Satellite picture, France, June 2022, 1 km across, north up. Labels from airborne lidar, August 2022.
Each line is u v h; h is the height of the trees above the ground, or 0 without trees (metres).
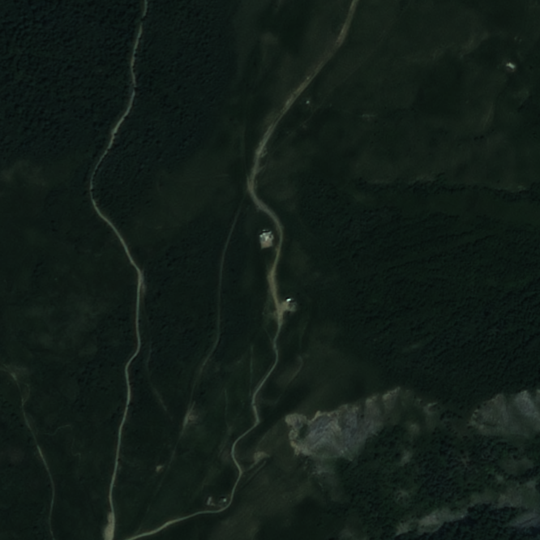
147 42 7
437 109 0
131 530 0
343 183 0
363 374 0
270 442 0
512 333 11
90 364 7
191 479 0
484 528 8
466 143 0
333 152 0
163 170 0
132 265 0
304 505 0
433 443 11
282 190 0
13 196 0
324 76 0
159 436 0
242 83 0
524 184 0
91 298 0
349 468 13
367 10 0
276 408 0
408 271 11
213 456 0
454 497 16
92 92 8
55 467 0
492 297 17
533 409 0
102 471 0
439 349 8
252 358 0
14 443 0
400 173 0
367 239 7
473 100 0
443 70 0
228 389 0
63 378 0
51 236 0
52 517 0
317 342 0
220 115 0
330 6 0
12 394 0
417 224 6
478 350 12
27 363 0
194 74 6
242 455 0
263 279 0
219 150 0
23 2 6
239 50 0
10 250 0
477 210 0
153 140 6
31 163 0
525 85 0
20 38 10
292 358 0
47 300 0
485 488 7
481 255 7
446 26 0
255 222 0
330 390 0
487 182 0
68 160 0
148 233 0
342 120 0
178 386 0
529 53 0
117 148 7
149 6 6
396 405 0
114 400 0
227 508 0
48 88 11
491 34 0
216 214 0
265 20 0
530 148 0
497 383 7
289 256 0
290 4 0
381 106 0
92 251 0
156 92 7
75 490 0
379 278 11
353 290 5
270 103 0
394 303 9
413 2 0
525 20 0
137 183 6
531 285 8
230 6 0
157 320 6
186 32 7
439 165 0
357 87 0
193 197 0
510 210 0
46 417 0
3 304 0
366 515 10
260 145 0
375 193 5
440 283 11
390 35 0
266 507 0
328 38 0
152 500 0
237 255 0
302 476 0
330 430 0
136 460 0
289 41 0
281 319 0
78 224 0
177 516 0
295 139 0
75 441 0
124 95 6
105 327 6
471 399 7
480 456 11
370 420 0
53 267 0
